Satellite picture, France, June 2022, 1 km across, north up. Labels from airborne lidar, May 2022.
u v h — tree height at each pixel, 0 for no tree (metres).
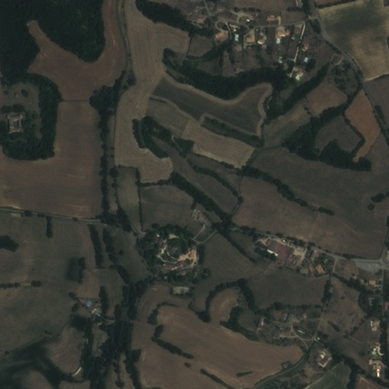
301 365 6
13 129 0
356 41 0
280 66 10
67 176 0
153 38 0
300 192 0
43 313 0
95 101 23
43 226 0
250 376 0
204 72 8
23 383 0
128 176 0
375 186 0
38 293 0
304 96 17
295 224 0
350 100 9
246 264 0
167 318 0
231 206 0
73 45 18
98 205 0
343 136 0
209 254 0
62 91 0
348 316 0
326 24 0
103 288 12
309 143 11
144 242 15
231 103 0
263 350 0
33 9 22
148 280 11
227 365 0
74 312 12
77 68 0
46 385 0
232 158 0
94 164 0
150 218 0
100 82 0
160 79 0
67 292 0
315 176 0
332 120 10
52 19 17
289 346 0
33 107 0
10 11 17
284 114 13
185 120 0
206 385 0
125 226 16
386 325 13
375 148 0
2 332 0
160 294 0
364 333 0
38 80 20
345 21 0
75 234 0
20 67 21
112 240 26
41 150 20
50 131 18
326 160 15
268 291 0
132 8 0
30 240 0
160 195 0
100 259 16
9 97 0
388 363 12
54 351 0
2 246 14
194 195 15
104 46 6
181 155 10
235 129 6
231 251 0
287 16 0
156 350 0
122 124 0
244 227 11
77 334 0
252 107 0
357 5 0
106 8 0
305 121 0
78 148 0
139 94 0
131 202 0
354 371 16
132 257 0
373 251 0
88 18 8
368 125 0
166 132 15
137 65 0
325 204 0
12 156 12
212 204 14
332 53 0
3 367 0
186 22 12
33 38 17
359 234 0
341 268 0
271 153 0
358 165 11
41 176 0
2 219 0
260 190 0
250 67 0
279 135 0
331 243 0
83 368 9
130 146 0
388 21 0
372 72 0
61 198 0
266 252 8
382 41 0
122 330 33
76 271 0
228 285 14
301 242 9
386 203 0
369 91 0
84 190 0
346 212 0
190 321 0
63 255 0
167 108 0
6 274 0
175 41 0
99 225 0
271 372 0
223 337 0
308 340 0
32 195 0
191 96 0
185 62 6
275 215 0
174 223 0
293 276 0
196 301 0
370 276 0
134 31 0
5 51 16
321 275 7
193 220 0
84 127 0
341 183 0
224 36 0
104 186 16
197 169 9
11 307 0
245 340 0
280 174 0
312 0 0
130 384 0
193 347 0
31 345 0
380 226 0
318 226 0
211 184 0
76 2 11
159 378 0
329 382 0
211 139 0
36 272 0
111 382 0
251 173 11
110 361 18
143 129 9
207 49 0
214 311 0
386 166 0
